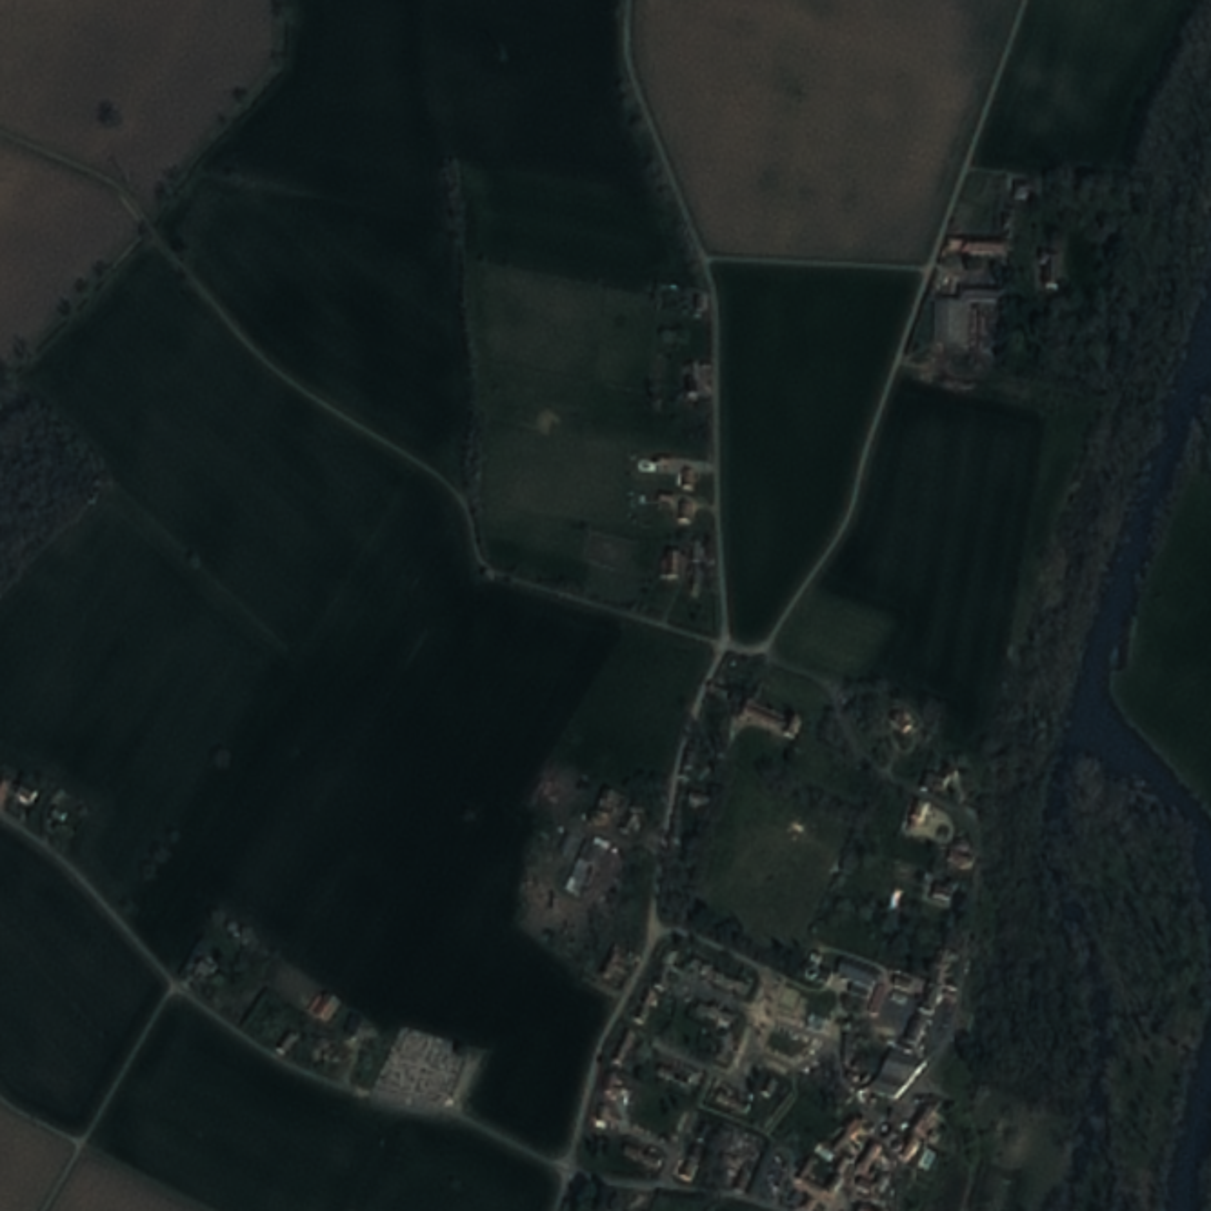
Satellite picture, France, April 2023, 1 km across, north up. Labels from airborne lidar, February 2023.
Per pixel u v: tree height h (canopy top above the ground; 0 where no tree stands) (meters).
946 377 0
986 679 0
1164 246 22
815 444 0
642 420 0
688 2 0
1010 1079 25
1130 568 0
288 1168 0
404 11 0
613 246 0
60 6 0
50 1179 0
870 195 0
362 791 0
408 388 0
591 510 0
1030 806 17
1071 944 23
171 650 0
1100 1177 18
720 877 0
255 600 0
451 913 0
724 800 14
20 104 0
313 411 0
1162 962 18
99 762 0
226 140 0
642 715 0
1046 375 16
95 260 0
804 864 0
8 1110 0
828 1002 0
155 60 0
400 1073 0
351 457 0
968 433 0
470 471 8
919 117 0
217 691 0
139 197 0
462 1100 0
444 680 0
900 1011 0
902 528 0
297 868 0
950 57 0
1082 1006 19
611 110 0
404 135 0
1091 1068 23
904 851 0
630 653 0
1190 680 0
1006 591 0
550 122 0
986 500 0
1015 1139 15
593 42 0
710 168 0
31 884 0
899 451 0
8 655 0
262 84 0
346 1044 0
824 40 0
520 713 0
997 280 10
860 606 0
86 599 0
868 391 0
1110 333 26
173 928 0
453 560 0
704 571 6
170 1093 0
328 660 0
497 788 0
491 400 0
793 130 0
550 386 0
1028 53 0
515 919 0
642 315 0
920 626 0
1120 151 0
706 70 0
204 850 0
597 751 0
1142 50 0
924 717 14
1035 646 17
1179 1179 0
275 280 0
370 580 0
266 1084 0
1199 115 24
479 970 0
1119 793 20
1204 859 0
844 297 0
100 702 0
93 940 0
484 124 0
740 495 0
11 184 0
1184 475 22
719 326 0
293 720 0
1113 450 17
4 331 0
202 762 0
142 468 0
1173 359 13
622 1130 0
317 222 0
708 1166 13
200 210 0
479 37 0
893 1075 0
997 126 0
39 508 12
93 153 0
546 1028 0
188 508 0
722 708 15
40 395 0
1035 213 8
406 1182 0
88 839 0
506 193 0
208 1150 0
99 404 0
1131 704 0
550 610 0
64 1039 0
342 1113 0
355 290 0
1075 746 0
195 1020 0
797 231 0
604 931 10
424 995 0
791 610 0
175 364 0
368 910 0
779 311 0
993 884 7
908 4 0
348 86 0
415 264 0
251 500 0
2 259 0
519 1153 0
